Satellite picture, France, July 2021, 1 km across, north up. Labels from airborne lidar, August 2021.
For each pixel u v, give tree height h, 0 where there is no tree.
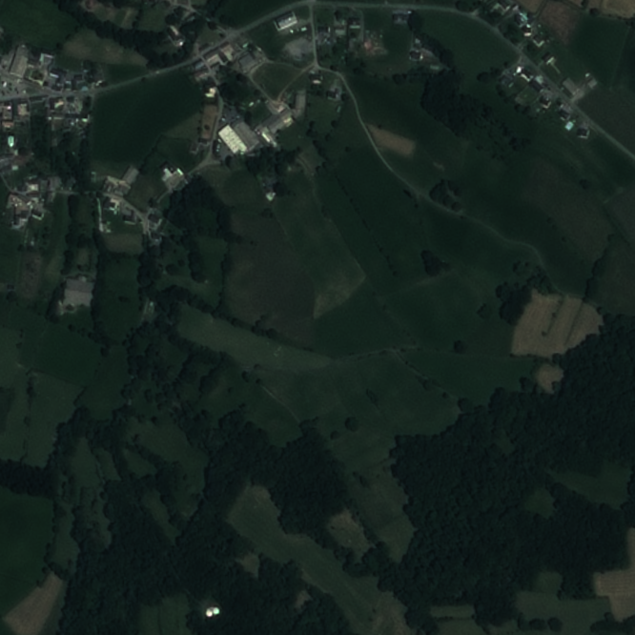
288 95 0
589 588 16
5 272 0
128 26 0
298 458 27
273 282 0
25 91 0
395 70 0
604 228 0
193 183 13
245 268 0
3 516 0
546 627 8
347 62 8
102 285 11
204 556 23
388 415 0
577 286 0
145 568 17
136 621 11
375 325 0
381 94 0
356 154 0
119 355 0
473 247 0
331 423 0
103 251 12
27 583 0
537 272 15
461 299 0
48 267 0
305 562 0
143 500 17
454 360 0
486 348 0
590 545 22
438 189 14
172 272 16
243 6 0
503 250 0
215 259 0
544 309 0
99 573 22
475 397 0
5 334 0
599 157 0
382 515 0
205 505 24
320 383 0
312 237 0
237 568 18
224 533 33
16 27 0
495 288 0
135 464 0
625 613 0
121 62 0
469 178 0
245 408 17
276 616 19
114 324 0
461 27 0
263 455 26
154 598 20
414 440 23
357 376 0
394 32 0
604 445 28
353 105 0
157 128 0
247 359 0
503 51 0
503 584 23
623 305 0
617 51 0
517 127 0
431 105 23
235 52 0
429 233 0
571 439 24
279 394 0
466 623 0
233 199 0
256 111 0
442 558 29
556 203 0
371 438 0
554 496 17
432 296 0
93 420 10
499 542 25
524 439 26
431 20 0
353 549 9
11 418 0
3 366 0
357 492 0
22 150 12
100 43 0
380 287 0
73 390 0
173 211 12
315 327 0
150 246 12
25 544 0
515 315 24
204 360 18
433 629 21
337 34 0
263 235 0
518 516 22
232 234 17
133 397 21
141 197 0
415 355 0
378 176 0
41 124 6
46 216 0
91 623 26
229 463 34
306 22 0
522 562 24
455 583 29
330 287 0
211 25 15
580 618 0
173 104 0
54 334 0
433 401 0
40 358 0
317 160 0
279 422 0
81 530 22
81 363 0
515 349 0
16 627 0
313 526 25
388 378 0
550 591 0
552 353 0
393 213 0
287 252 0
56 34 0
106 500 13
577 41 0
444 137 0
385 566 23
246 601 16
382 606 0
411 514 21
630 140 0
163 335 12
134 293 0
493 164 0
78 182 10
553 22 0
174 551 17
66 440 24
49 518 0
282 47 0
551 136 0
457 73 23
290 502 25
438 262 20
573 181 0
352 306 0
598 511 19
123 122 0
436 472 26
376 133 0
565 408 27
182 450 0
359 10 0
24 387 0
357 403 0
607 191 0
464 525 29
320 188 0
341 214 0
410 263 0
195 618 15
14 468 26
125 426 16
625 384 25
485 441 31
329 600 23
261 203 0
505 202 0
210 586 21
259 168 14
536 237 0
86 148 18
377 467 0
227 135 0
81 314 0
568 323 0
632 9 0
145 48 21
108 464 0
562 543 19
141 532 13
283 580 18
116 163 0
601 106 0
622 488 0
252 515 0
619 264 0
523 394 12
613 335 20
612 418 26
